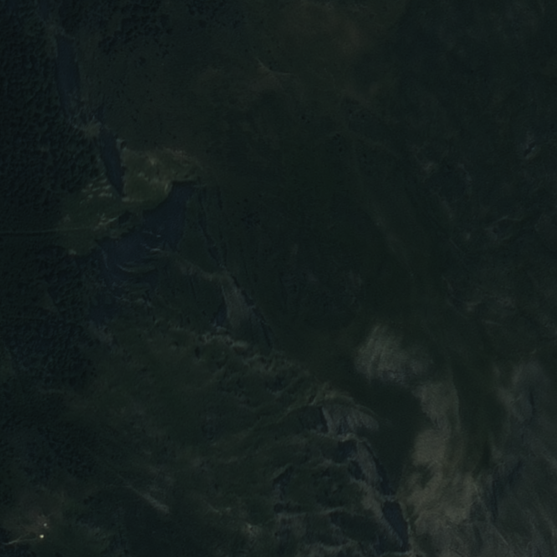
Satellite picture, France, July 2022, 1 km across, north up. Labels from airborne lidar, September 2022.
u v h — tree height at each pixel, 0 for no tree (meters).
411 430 0
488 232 0
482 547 0
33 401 6
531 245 0
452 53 0
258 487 0
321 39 0
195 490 0
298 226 0
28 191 14
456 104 0
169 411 0
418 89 0
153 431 0
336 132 0
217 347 0
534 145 8
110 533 0
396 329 0
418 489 0
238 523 0
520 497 0
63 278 18
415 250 0
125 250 0
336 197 0
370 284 0
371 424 0
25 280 6
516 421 0
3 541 8
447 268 0
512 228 0
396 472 0
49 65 20
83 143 7
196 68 0
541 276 0
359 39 0
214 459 0
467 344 0
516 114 0
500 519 0
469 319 0
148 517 0
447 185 0
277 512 0
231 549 0
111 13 6
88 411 0
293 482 0
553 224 0
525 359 0
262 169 0
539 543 0
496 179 0
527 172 0
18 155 5
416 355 0
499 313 0
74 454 8
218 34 0
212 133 0
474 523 0
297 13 0
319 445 0
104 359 0
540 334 0
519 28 0
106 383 0
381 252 0
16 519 0
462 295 0
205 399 0
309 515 0
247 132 0
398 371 0
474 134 0
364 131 0
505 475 0
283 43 0
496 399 0
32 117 10
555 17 0
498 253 0
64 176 12
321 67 0
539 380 0
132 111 0
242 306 0
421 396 0
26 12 13
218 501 0
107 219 0
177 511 0
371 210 0
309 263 0
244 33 0
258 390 0
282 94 0
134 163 0
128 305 0
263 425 0
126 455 0
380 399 0
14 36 16
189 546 0
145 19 9
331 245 0
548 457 0
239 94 0
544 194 0
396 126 0
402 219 0
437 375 0
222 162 0
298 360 0
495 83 0
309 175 0
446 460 0
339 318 0
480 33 0
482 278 0
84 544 0
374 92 0
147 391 0
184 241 0
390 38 0
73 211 0
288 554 0
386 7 0
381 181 0
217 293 0
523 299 0
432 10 0
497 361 0
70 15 9
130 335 0
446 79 0
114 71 0
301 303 0
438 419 0
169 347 0
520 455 0
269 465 0
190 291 0
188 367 0
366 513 0
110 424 0
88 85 0
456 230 0
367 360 0
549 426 0
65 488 0
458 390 0
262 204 0
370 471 0
